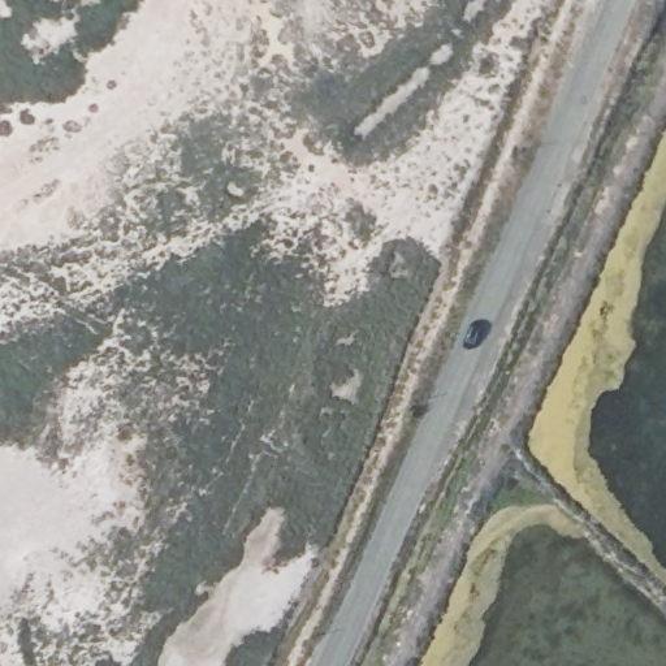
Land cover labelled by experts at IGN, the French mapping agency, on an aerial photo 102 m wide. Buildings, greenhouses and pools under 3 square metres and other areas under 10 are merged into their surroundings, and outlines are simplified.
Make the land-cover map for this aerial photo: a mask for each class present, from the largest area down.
<instances>
[{"label":"brushwood","instance_id":"1","mask_svg":"<svg viewBox=\"0 0 666 666\"><path fill-rule=\"evenodd\" d=\"M78 0H0V114L8 112L16 101L57 104L73 96L83 86L88 55L114 42V34L127 23V13L138 10L140 0H99L94 5H86L78 16L73 39L62 42L42 62H34L31 52L23 47V34L34 31L39 21L65 18ZM515 0H434V5L424 13V26L406 29V36L401 42H390L380 55L372 57L369 68L359 73L354 81H341L336 73H328L310 88L291 91L286 96L289 104H304L315 114L317 130L328 143H333L336 151L343 153V161L351 167L388 161L390 153L403 156L408 151L411 138H416L427 127V112L442 104V96L468 70L473 44L489 42L494 23L505 18ZM419 68H424L429 78L380 125H375L367 135H359V122L369 117L385 96L395 94L398 86H403ZM565 0H552L541 8V16L533 18L528 36H513L510 42L515 49H520V68L515 70V78L507 86L502 117L492 127V140L481 159L479 177L471 185L453 221L450 239L460 245L466 232L471 229L484 190L497 167L500 151L505 146V135L513 127L515 112L520 107V96L531 81L533 68L539 65V60L533 57V47L549 42L552 23L557 21ZM666 49V0H663L656 8L653 26L632 60V68L619 88L614 107L604 104L598 109V117L593 120L591 148L583 153L585 172L578 177L575 187L567 195L565 213L554 229V237L549 239L541 265L536 268L533 284L513 325V336L505 343L497 369L481 398V414L471 416L466 434L453 450L440 481L427 489L424 510L416 513L403 539L398 559L393 562L390 583L380 598V609L351 666H385L382 658L393 650L398 640L406 609L414 606L421 596L419 575L434 562L437 544L453 526L455 497L466 500L463 484L481 468L479 442L492 427L497 406L505 401V390L513 380L515 367L520 364L523 351H539V323L552 315V291L559 281L570 276L572 252L588 245L596 213V203L601 198L606 174L622 159L624 140L632 135L635 120L653 101L656 83L661 75L658 60ZM583 10H570V21L562 31V39L557 42V52L541 81L533 112L528 117V127L520 138V146H515L513 151V169L507 172L505 185L497 193L479 250L473 252L471 265L466 268L447 323L432 349L429 359L424 362L419 385L414 390L403 432L380 473L369 510L362 520V528L349 554V559L359 565L377 526L380 510L416 437L419 421L429 411L434 382L455 346V336L468 310V302L484 276L492 252L500 245L502 229L513 216L518 193L523 190L526 177L536 161L541 135L546 130V114L552 109V99L559 86L570 47ZM666 133V109L656 122L643 161L635 169L632 182L622 190L617 206L611 229L601 242L583 294L557 338L554 356L546 359L541 367V380L536 385L533 403L528 406V414H523V419L515 424L510 440L502 445V466L492 479L489 489L481 492L471 513L473 523L484 528V523L502 507L549 505L562 500L565 507L578 513L585 523V533L580 539H585L591 549L601 559H606L627 585L650 598L666 619V567L656 559L650 546L645 554L635 557L604 523H598L591 515V510L583 507V502H578L533 455L531 429L562 367L565 351L580 328L591 297L601 281L606 258L617 245V237L630 216L635 198L645 185V174L653 167L661 138ZM237 122L245 125V133H237L229 130V114H211L208 120H198L195 125H190V133L185 138L172 140V148L182 151L180 182L167 177L164 169L153 167L151 180L164 182L167 187L159 193L156 200L161 219H146V229L156 237L187 234V221L172 219V211L182 208L187 187L198 190L208 221L226 219L232 206H245L258 198L260 172L221 159V148L226 146V140L250 138V120L239 114ZM351 232L367 245L372 239L377 219L369 211H364L362 203L346 211ZM273 234V229L260 221L213 237V242L193 250V255L187 258L169 255L161 271H156L148 278L130 276L114 291H109L114 307L125 310L122 330L127 333V341L122 343L133 354H151V369L130 372L127 382L117 388V401H122L125 406V424L120 427L117 437L122 442H127L130 437H146V445L125 460L130 468L140 466L143 471L138 494L143 502L146 520L135 531L114 528L109 533L112 552L107 554L104 567H112V572L120 578L133 575V552L151 541L161 544V552L153 554L146 565V572L140 578V596L130 609L138 617H143L146 611H159L161 619L146 632L143 643L135 648L133 661L125 666H159L167 637L198 611L200 604H206L213 596L216 583L226 572L242 565L245 541L268 510L284 513L278 546L273 552L278 567L302 557L307 546L315 549L330 546L336 541L341 520L349 510V500L354 497L359 479L364 473V463L369 453L380 447L385 440L382 421L390 414V406L395 403L401 364L416 336L419 317L440 276L437 258L421 242L390 239L367 268V291H351V299L336 307L323 304L325 281L323 273H312L310 268H304L310 245L304 239L299 242L294 255L271 258V247H265V239ZM112 336V325L96 323V333H88L68 315H55L44 320L8 323L0 333V445L31 447L39 437V429L44 427L47 406L55 398H60L68 390V372L75 364L86 362L104 338ZM471 546L460 541L458 557L450 565V578L442 585L440 601L427 619L424 632L416 640V653L403 666H421L468 559ZM26 666H36V653L31 645V622L21 619L18 640Z\"/></svg>","mask_w":666,"mask_h":666},{"label":"pervious surface","instance_id":"2","mask_svg":"<svg viewBox=\"0 0 666 666\"><path fill-rule=\"evenodd\" d=\"M99 0H78L65 18L39 21L34 31L23 34V47L31 52L34 62H42L62 42L73 39L78 16L86 5H94ZM333 0H140L138 10L127 13V23L114 34V42L88 55L83 86L73 96L57 104L16 101L8 112L0 114V255L29 245L57 247L73 237H86L88 224H99V211L112 200L107 174L114 169V153L125 140L146 138L153 133V127H161L164 122H177L180 114L190 109V99H195V81L203 83L206 91L226 88L237 70V44L247 42L255 31L265 29L268 34V47L260 57L263 68L273 62V55H281L286 62H294V47L278 42L281 26L289 21L302 18L307 31H317L338 42L341 36L336 31V13L330 8ZM434 5V0H377V10L382 16L395 18V26L406 29L424 26V13ZM552 0H515L505 18L494 23L489 42L473 44L468 70L442 96V104L427 112V127L416 138H411L408 151L403 156L390 153L388 161L351 167L343 161V153L336 151L333 143H328L323 156L310 153L304 148V138L310 135V130L302 125L294 133V138L286 140V151L297 156L299 169L297 174H281L278 190L289 198V206L294 211H302L304 206L315 203H323V213L346 211L362 203L364 211H369L377 219L372 239L367 245L362 250L349 252L343 260L333 263L338 281H325L323 304L336 307L351 299V291H367V268L390 239L421 242L437 258L440 276L419 317L416 336L419 341H424V346L432 349L447 323L466 268L471 265L473 252L479 250L497 193L505 185L507 172L513 169V151L515 146H520V138L528 127V117L533 112L541 81L557 52V42L562 39V31L570 21V10H583L570 47L580 52L583 36L588 31L591 16L596 13L598 0H565L557 21L552 23L549 42L533 47V57L539 60V65L533 68L531 81L520 96V107L515 112L513 127L505 135V146L500 151L497 167L484 190L471 229L466 232L460 245L450 239L453 221L471 185L458 182L453 198H445L447 177L455 174L458 164H476L481 159L492 140V127L502 117L507 86L515 78V70L520 68V49H515L510 42L513 36H528L533 18L541 16V8ZM369 34L375 36V44L359 49L362 57H372L380 55L390 42V34L372 23ZM429 78L424 68H419L403 86H398L395 94L385 96L369 117L359 122V135H367L375 125H380ZM666 203V133L661 138L653 167L645 174V185L635 198L630 216L617 237V245L606 258L601 281L591 297L580 328L565 351L562 367L531 429L533 455L578 502H583V507L591 510V515L598 523H604L635 557L645 554L650 546V541L630 523L617 497L609 492L606 479L598 471V463L588 453V434L591 411L598 395L606 390H617L622 385L624 362L630 359L635 346L630 336V317L640 291L643 252L658 226L661 208ZM617 206H611L606 213H596L588 245L572 252L570 276L559 281L552 291V315L539 323V351H523L520 364L515 367L513 380L505 390V401L497 406L492 427L479 442L481 468L463 484L466 500L455 497L453 526L437 544L434 562L419 575L421 596L414 606L406 609L398 640L393 650L382 658L385 666H403L416 653V640L424 632L427 619L440 601L442 585L450 578V565L458 557L460 541L471 546L468 559L421 666H468L484 635V614L497 596L500 572L513 533L528 526H552L565 536L580 539L585 533V523L578 513L565 507L562 500L549 505L502 507L484 523V528L473 523L471 513L481 492L489 489L492 479L502 466V445L510 440L515 424L523 419V414H528V406L533 403L536 385L541 380V367L546 359L554 356L557 338L583 294L601 242L611 229ZM52 276L62 278L65 284L91 281V286H86L83 291L70 294L78 307L91 304L104 291H114L130 276L127 260L117 258H91L86 265L68 263L62 268H52ZM47 286L36 278V273H29V284L23 286H18V278H8L0 286V333L8 323L44 320L55 315V304L31 302L34 294H44ZM104 393L96 388L68 390L60 398L62 440H75L73 416L88 414ZM120 427L114 421H101L94 450H81L68 468L42 463L36 450L31 447L0 445V614H8L13 591L23 585L26 572H34V585L29 596L36 606L34 614L44 622V627L57 632L68 624H75V614L94 611L104 601L107 588L101 585L99 575L104 567L107 554L112 552L109 533L114 528L135 531L146 520L143 502L138 494L143 471L140 466L130 468L125 460L146 445V437H130L127 442H122L117 437ZM284 513L268 510L245 541L242 565L226 572L216 583L213 596L206 604H200L198 611L167 637L159 666H224L229 650L242 643L247 632L271 630L281 622L289 601L297 598L312 567L315 549L307 546L302 557L278 567L273 552L278 546ZM349 559V554L338 549L328 583L317 598L312 617L297 635L286 666H297L304 643L320 624L323 611L338 583V575ZM5 653H0V666H26L18 640L13 635H3ZM101 650H109L112 658L122 666H125L133 661L135 648L133 643L114 637L101 643Z\"/></svg>","mask_w":666,"mask_h":666},{"label":"herbaceous vegetation","instance_id":"3","mask_svg":"<svg viewBox=\"0 0 666 666\"><path fill-rule=\"evenodd\" d=\"M330 8L336 13V31L341 36L338 42L317 31H307L302 18L289 21L281 26L278 42L294 47V62H286L281 55H273V62L263 68L260 57L268 47V34L265 29L255 31L247 42L237 44V70L226 88L206 91L203 83L195 81V99H190V109L180 114L177 122H164L161 127H153V133L146 138L125 140L114 153V169L107 174L112 200L99 211V224H88L86 237H73L57 247L29 245L0 255V286L8 278H18V286H23L29 284V273H36V278L47 286L44 294H34L31 302L55 304V315H68L88 333H96V323L112 325V336L104 338L86 362L75 364L68 372V390L96 388L104 393L88 414L73 416L75 440H62L60 398H55L47 406L44 427L39 429V437L31 447L36 450L42 463L68 468L81 450H94L101 421H114L120 427L125 424V406L122 401H117V388L127 382L130 372L151 369V354H133L122 343L127 341V333L122 330L125 310L114 307L109 291H104L91 304L78 307L70 294L83 291L86 286H91V281L65 284L62 278L52 276V268H62L68 263L86 265L91 258H117L127 260L130 276L148 278L156 271H161L169 255L187 258L193 255V250L213 242V237L260 221L273 229V234L265 239V247H271V258L294 255L299 242L304 239L310 245L304 268H310L312 273H323L325 281H338L333 263L343 260L349 252L362 250L367 245L351 232L346 211L323 213V203H315L304 206L302 211H294L289 206V198L278 190L281 174H297L299 169L297 156L286 151V140L294 138V133L302 125L310 130V135L304 138V148L310 153L323 156L328 143L317 130L315 114L304 104H289L286 96L291 91L310 88L328 73H336L341 81H354L359 73L369 68L372 57H362L359 49L375 44V36L369 34L372 23L390 34V42H401L406 36V29L395 26V18L382 16L377 10V0H333ZM211 114H229V130L237 133H245V125L237 122L239 114L250 120V138L226 140V146L221 148V159L260 172L258 198L245 206H232L226 219L208 221L198 190L187 187L182 208L172 211V219L187 221V234L156 237L146 229V219H161L156 200L159 193L167 187L164 182L151 180L153 167L164 169L167 177L180 182L182 151L172 148V140L185 138L190 133V125H195L198 120H208ZM663 0H640L617 44V65H611L609 70L617 81L609 86L604 104L614 107L619 88L632 68V60L653 26L656 8ZM661 75L656 83L653 101L635 120L632 135L624 140L622 159L606 174L601 198L596 203V213H606L611 206H617L622 190L632 182L635 169L643 161L656 122L666 109V49L658 60ZM481 159L476 164H458L455 174L447 177L445 198H453L458 182L471 185L479 177ZM432 349L424 346V341H419L416 336L401 364L395 403L390 406V414L382 421L385 440L380 447L369 453L364 463V473L359 479L354 497L349 500V510L341 520L336 541L330 546L315 549L312 567L297 598L289 601L281 622L271 630L247 632L242 643L229 650L224 666H286L297 635L312 617L317 598L328 583L338 549L349 554L362 528V520L369 510L380 473L403 432L414 390L419 385L424 362L429 359ZM161 552V544L151 541L133 552V575L120 578L112 572V567H104L99 575L101 585L107 588L104 601L94 611L75 614V624H68L57 632L44 627V622L34 614L36 606L29 596L34 585V572H26L23 585L13 591L8 614H0V653H5L3 635H13L18 640L21 619L31 622V645L36 653V666H122L112 658L109 650H101V643L114 637L133 643L135 648L143 643L146 632L161 619L159 611H146L143 617H138L130 609L140 596V578L146 572V565L153 554ZM359 565L349 559L338 575V583L323 611L320 624L304 643L297 666H307L317 643L328 635Z\"/></svg>","mask_w":666,"mask_h":666},{"label":"water","instance_id":"4","mask_svg":"<svg viewBox=\"0 0 666 666\"><path fill-rule=\"evenodd\" d=\"M630 336L635 346L630 359L624 362L622 385L617 390H606L598 395L591 411L588 434V453L598 463V471L606 479L609 492L617 497L630 523L650 541V546L656 559L666 567V203L661 208L658 226L643 252L640 291L630 317ZM468 666H666V619L650 598L627 585L606 559H601L591 549L585 539H580L565 536L552 526H528L513 533L500 572L497 596L484 614V635Z\"/></svg>","mask_w":666,"mask_h":666},{"label":"impervious surface","instance_id":"5","mask_svg":"<svg viewBox=\"0 0 666 666\"><path fill-rule=\"evenodd\" d=\"M640 0H598L596 13L591 16L588 31L583 36L580 52L570 47L559 86L552 99V109L546 114V130L541 135L536 161L526 177L523 190L518 193L513 216L502 229L500 245L492 252L484 276L468 302V310L455 336V346L434 382L429 411L419 421L416 437L380 510L377 526L359 565L328 635L317 643L307 666H351L380 609V598L390 583L393 562L398 559L403 539L416 513L424 510L427 489L440 481L453 450L466 434L471 416L481 414V398L497 369L505 343L513 336V325L533 284L536 268L541 265L549 239L554 237V229L565 213L567 195L575 187L578 177L585 172L583 153L591 148L593 120L598 117V109L604 104L609 86L617 81L609 70L611 65H617V44Z\"/></svg>","mask_w":666,"mask_h":666}]
</instances>
